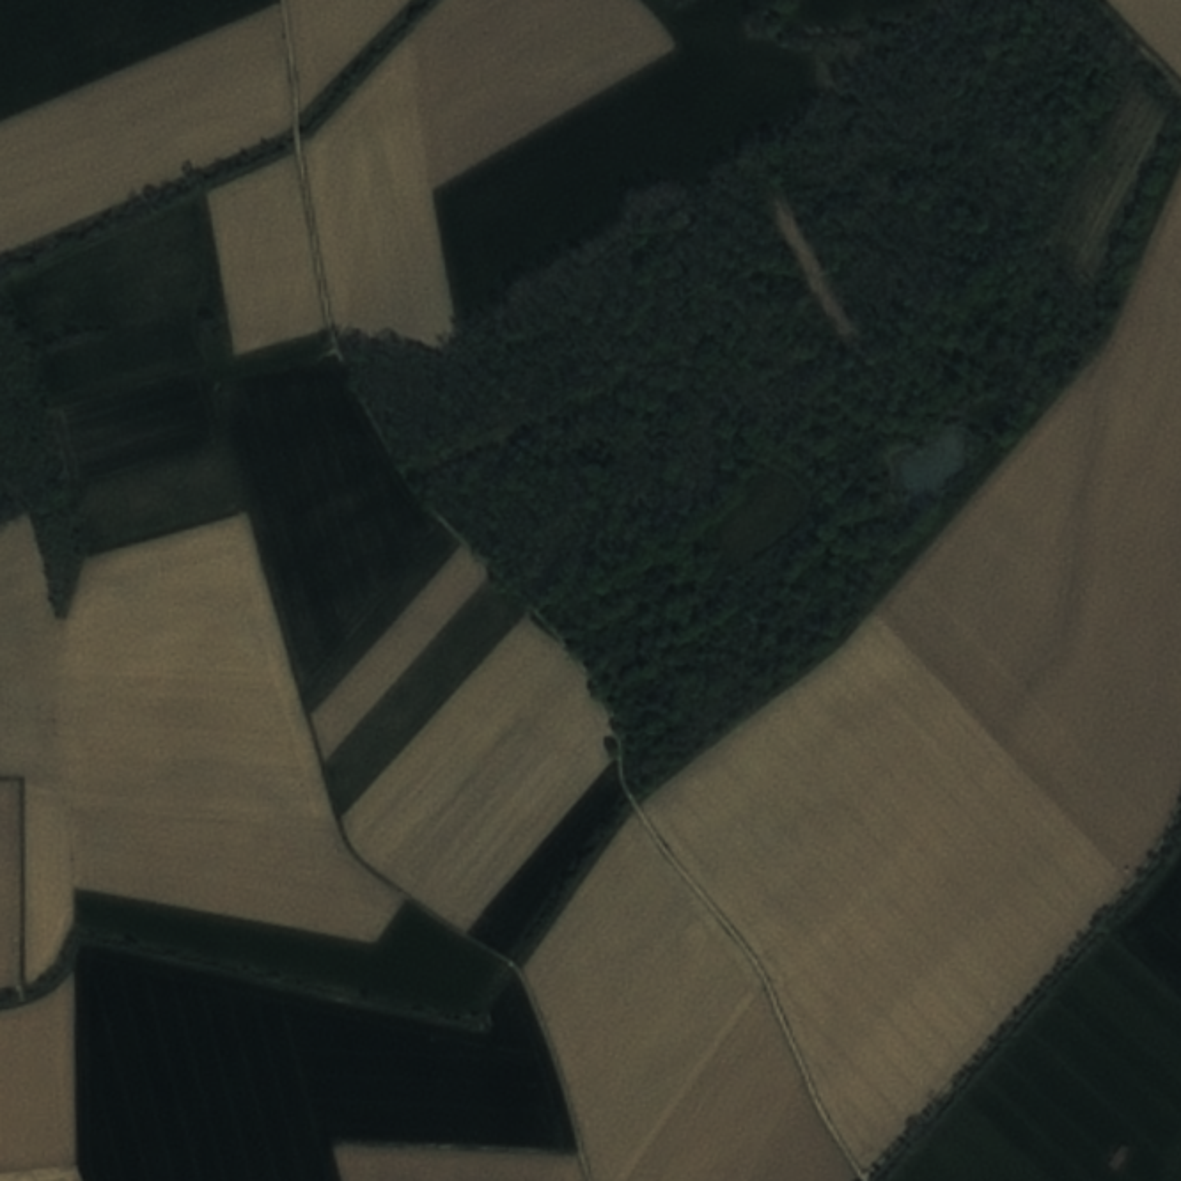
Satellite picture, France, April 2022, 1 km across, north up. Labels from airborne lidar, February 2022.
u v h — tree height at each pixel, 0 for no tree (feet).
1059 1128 0
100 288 0
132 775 0
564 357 59
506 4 0
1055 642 0
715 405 68
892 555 63
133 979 0
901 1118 0
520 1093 0
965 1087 39
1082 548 0
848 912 0
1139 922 0
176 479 0
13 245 0
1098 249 0
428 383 48
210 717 0
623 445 58
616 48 0
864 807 0
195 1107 0
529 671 0
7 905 0
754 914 0
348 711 0
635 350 60
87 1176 0
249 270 0
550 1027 0
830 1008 0
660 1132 0
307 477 0
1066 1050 0
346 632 0
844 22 0
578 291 58
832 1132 0
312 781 0
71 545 31
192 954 0
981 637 0
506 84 0
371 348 50
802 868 0
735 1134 0
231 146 0
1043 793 0
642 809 0
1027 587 0
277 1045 0
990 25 68
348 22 0
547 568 53
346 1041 0
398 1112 0
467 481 59
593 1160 0
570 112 0
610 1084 0
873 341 52
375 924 0
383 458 0
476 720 0
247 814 0
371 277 0
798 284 44
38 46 0
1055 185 58
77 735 0
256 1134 0
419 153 0
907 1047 0
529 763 0
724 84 0
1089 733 0
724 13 0
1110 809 0
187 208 0
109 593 0
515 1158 0
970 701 0
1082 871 0
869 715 0
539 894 0
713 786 0
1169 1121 0
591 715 0
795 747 0
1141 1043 0
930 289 70
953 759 0
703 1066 0
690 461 76
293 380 0
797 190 34
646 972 0
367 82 0
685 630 57
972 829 0
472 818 0
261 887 0
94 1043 0
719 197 56
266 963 0
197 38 0
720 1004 0
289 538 0
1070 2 66
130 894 0
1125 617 0
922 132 33
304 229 0
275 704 0
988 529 0
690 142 0
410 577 0
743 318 71
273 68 0
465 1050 0
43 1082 0
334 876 0
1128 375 0
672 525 82
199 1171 0
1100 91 74
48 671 0
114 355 0
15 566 0
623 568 70
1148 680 0
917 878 0
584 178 0
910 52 66
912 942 0
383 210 0
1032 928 0
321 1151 0
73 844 0
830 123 76
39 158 0
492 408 49
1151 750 0
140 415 0
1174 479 0
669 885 0
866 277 58
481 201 0
